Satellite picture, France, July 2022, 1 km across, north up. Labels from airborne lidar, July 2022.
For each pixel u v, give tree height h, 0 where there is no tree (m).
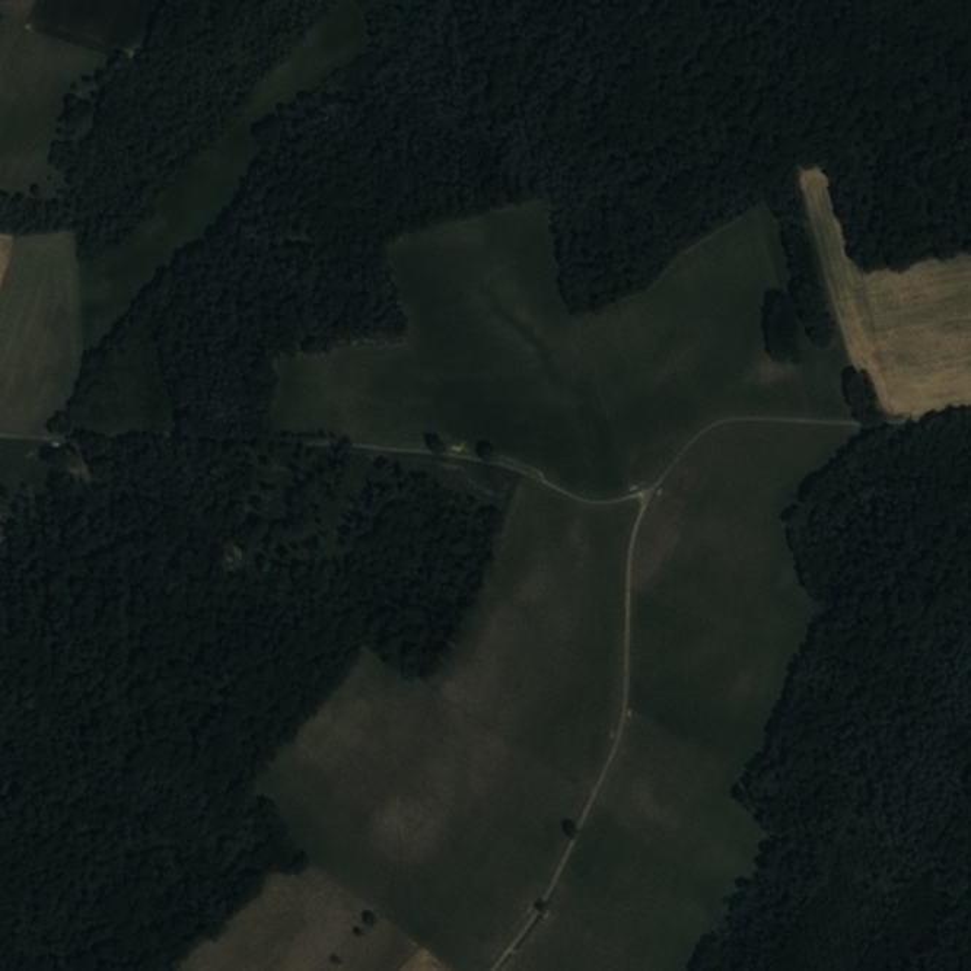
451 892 0
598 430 0
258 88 11
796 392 0
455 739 0
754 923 21
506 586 0
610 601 0
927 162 30
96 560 31
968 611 14
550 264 0
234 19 13
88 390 11
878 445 23
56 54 0
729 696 0
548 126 25
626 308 0
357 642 20
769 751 14
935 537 23
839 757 20
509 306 0
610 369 0
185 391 22
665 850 0
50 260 0
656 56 18
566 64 23
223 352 20
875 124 23
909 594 28
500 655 0
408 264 0
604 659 0
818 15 27
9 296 0
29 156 0
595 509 0
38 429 0
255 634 17
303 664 22
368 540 26
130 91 24
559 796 0
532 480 0
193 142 16
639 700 0
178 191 0
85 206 16
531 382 0
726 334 0
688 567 0
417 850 0
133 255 0
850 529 23
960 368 0
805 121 26
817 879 24
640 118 10
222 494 20
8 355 0
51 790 26
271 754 28
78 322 0
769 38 25
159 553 28
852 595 26
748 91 25
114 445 15
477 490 0
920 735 28
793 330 21
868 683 25
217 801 26
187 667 23
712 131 23
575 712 0
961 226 30
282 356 16
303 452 12
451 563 16
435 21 22
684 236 18
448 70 21
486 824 0
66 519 14
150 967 28
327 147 21
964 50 30
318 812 0
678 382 0
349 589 18
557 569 0
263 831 23
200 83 22
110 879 14
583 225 19
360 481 0
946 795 31
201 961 0
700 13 21
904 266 23
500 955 0
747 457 0
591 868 0
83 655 18
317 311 19
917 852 26
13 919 19
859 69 27
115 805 23
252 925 0
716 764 0
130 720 13
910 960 7
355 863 0
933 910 7
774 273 0
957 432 22
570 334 0
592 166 18
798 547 20
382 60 7
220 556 28
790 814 21
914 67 27
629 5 18
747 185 24
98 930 24
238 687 24
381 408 0
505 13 28
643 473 0
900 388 0
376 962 0
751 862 0
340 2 10
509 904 0
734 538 0
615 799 0
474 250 0
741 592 0
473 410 0
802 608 0
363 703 0
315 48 0
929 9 24
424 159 14
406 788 0
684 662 0
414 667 22
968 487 30
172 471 23
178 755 31
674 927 0
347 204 21
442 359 0
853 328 0
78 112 20
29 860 21
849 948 7
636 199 21
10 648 28
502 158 18
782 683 0
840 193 27
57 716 13
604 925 0
